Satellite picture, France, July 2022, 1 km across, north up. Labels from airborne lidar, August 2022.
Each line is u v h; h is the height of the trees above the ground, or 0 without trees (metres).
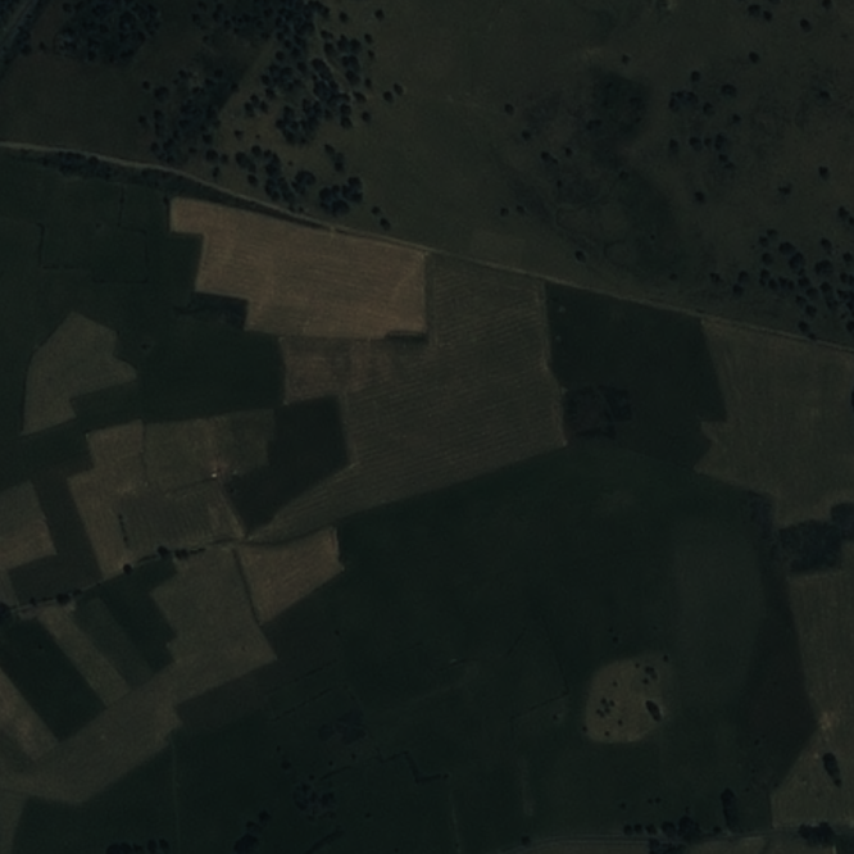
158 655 0
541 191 0
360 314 0
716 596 0
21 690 0
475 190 0
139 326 0
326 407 0
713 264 0
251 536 0
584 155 0
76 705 0
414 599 0
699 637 0
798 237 0
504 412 0
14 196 0
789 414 0
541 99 0
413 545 0
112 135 0
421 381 0
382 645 0
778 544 0
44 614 0
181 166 0
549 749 0
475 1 0
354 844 0
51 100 0
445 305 0
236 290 0
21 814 0
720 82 0
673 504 0
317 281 0
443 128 0
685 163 0
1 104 0
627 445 0
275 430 0
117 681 0
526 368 0
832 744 0
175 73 0
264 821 14
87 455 0
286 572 0
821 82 0
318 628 0
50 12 0
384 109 0
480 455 0
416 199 0
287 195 15
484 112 0
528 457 0
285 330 0
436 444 0
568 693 0
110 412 0
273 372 0
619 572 0
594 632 0
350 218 0
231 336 0
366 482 0
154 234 0
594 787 0
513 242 0
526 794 0
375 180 0
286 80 12
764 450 0
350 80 16
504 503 0
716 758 0
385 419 0
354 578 0
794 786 0
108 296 0
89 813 0
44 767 0
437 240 0
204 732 0
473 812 0
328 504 0
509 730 0
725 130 0
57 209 0
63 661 0
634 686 0
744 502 0
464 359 0
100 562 0
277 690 0
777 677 0
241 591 0
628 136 0
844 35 0
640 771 0
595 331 0
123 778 0
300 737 0
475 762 0
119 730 0
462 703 0
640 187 0
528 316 0
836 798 0
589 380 0
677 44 0
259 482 0
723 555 0
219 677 0
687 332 0
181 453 0
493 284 0
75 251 0
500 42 0
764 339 0
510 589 0
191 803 0
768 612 0
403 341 0
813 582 0
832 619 0
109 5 18
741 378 0
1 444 0
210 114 13
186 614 0
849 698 0
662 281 0
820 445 0
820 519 0
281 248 0
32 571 0
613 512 0
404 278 0
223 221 0
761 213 0
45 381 0
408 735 0
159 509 0
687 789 0
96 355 0
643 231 0
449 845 0
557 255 0
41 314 0
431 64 0
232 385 0
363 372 0
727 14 0
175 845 0
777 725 0
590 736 0
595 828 0
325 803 14
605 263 0
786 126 0
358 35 0
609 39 0
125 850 18
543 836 0
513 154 0
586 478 0
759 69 0
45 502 0
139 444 0
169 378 0
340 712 0
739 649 0
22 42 8
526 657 0
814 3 0
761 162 0
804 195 0
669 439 0
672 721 0
